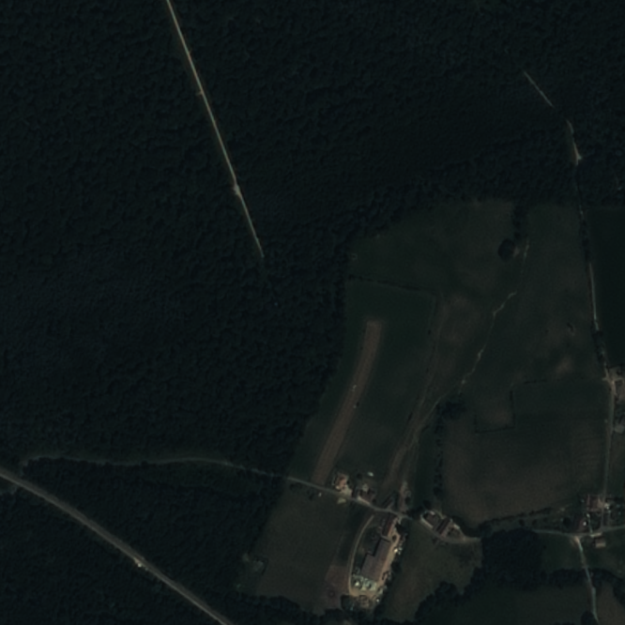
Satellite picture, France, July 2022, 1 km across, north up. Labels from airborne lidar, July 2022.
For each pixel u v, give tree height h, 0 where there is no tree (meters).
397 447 0
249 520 22
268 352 25
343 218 21
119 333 24
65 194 28
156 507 25
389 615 0
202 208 23
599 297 0
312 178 16
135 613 15
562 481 0
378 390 0
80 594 20
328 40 24
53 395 23
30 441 27
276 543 0
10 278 23
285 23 24
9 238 28
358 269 0
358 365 0
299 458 0
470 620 0
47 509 20
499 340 0
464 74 25
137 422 21
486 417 0
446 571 0
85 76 27
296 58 24
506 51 20
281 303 25
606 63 17
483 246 0
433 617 0
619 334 0
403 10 20
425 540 0
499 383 0
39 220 26
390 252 0
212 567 22
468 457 0
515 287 0
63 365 25
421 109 18
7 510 26
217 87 27
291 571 0
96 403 24
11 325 23
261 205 14
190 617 26
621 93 6
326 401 0
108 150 30
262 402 28
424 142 17
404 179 16
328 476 0
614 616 0
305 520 0
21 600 23
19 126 27
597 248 0
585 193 14
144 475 7
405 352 0
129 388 22
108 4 27
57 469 19
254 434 17
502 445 0
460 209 0
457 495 0
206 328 25
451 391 0
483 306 0
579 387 0
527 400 0
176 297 30
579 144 8
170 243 19
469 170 27
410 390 0
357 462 0
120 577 26
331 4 27
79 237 22
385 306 0
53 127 26
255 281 23
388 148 16
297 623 15
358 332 0
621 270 0
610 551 0
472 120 14
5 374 24
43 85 25
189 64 0
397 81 20
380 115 25
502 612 0
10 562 26
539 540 26
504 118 15
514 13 23
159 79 25
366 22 24
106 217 26
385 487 0
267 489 24
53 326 23
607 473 0
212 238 27
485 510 0
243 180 11
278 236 24
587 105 18
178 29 0
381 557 0
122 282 24
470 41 22
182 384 25
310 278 26
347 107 29
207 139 25
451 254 0
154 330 26
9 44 27
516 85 17
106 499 18
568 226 0
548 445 0
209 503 23
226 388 19
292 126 26
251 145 23
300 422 15
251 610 25
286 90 26
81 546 21
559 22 23
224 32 24
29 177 27
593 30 20
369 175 16
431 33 26
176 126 13
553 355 0
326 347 28
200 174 25
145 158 27
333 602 0
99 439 24
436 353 0
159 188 29
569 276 0
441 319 0
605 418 0
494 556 20
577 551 0
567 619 0
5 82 27
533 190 23
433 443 0
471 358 0
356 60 24
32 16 31
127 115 25
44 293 25
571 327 17
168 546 19
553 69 17
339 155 17
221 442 16
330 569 0
